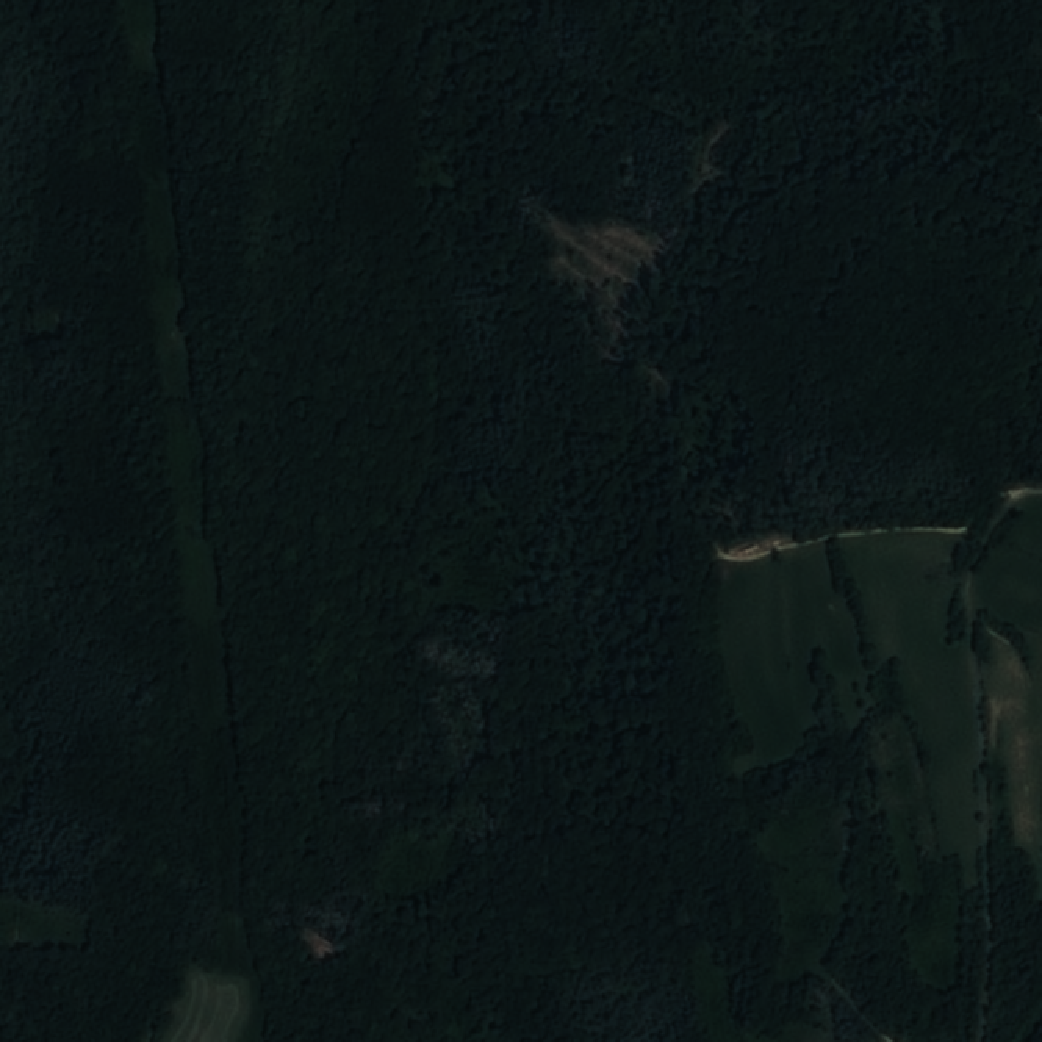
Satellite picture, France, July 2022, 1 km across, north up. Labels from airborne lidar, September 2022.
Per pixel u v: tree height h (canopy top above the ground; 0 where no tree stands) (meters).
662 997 15
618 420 22
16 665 15
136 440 19
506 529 25
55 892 27
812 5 24
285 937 24
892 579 0
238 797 7
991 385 26
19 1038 19
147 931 19
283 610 18
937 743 0
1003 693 0
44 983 16
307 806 28
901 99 37
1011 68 18
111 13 20
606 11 24
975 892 12
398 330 25
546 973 14
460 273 24
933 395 25
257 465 28
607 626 27
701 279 30
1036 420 11
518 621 23
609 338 23
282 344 26
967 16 21
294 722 22
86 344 19
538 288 24
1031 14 14
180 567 15
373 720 32
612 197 23
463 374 18
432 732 32
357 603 28
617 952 24
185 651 22
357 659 21
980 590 0
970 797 0
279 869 21
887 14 7
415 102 21
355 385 24
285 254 18
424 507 29
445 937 24
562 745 21
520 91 24
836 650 0
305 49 19
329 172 8
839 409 20
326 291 25
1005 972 14
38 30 11
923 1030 17
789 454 28
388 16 21
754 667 0
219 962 13
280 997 17
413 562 30
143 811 20
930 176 31
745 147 10
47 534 18
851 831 21
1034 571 0
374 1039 19
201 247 13
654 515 20
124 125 21
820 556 0
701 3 10
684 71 8
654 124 19
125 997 20
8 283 9
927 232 27
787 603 0
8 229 11
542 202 27
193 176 22
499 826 28
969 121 10
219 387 19
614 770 21
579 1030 18
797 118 21
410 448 28
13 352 15
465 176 25
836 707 16
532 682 27
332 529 21
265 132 14
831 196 32
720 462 28
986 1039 12
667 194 20
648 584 31
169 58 20
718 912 19
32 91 7
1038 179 16
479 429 25
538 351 25
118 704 16
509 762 28
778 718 0
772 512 32
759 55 21
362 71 19
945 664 0
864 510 17
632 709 30
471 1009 17
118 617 17
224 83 23
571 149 27
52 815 19
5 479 8
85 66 18
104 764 24
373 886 24
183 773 21
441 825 10
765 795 11
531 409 21
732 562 0
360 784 20
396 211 22
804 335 24
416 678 23
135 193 19
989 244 24
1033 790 0
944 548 0
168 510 18
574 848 30
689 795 21
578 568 15
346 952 15
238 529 20
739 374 30
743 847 18
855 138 24
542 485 20
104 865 21
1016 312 25
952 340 28
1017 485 14
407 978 25
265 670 17
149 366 17
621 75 25
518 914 21
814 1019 18
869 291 26
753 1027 16
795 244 32
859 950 18
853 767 12
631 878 26
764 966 22
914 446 30
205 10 15
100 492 20
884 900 12
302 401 24
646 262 0
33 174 13
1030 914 17
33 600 14
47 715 24
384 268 21
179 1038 0
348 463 21
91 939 19
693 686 19
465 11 10
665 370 25
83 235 15
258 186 17
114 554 14
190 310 17
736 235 31
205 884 17
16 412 9
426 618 25
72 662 22
